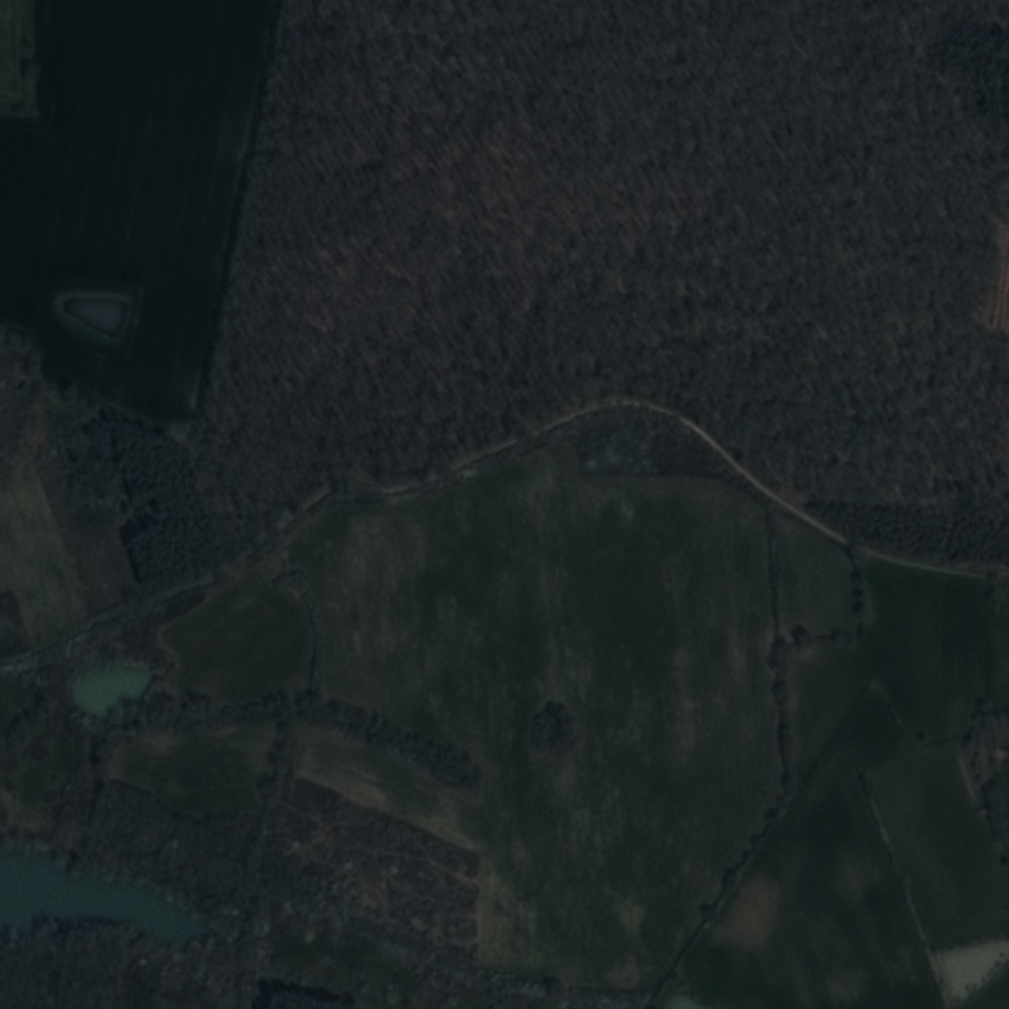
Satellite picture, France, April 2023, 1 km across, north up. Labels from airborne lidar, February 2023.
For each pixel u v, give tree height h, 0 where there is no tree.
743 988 0
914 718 0
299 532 0
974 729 7
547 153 21
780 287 22
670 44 20
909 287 17
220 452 21
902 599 0
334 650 0
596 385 21
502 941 0
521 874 0
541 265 25
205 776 0
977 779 8
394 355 21
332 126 24
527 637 0
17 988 19
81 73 0
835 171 20
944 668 0
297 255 24
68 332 0
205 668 0
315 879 12
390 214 22
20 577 0
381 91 25
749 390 22
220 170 0
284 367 22
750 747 0
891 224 19
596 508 0
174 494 22
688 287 24
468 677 0
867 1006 0
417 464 22
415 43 25
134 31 0
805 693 0
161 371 0
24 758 0
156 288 0
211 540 22
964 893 0
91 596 0
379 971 0
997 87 23
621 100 25
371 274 23
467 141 24
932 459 16
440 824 0
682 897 0
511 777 0
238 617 0
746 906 0
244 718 7
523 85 23
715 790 0
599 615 0
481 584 0
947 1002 0
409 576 0
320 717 15
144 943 10
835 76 18
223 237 0
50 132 0
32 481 0
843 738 0
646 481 0
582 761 0
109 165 0
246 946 9
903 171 20
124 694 0
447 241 22
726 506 0
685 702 0
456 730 0
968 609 0
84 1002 19
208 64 0
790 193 24
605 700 0
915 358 20
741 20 19
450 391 25
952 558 10
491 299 20
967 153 23
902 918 0
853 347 18
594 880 0
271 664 0
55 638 0
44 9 0
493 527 0
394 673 0
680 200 22
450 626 0
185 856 20
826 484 18
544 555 0
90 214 0
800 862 0
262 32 0
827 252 19
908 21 23
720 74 18
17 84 0
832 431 22
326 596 0
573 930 0
